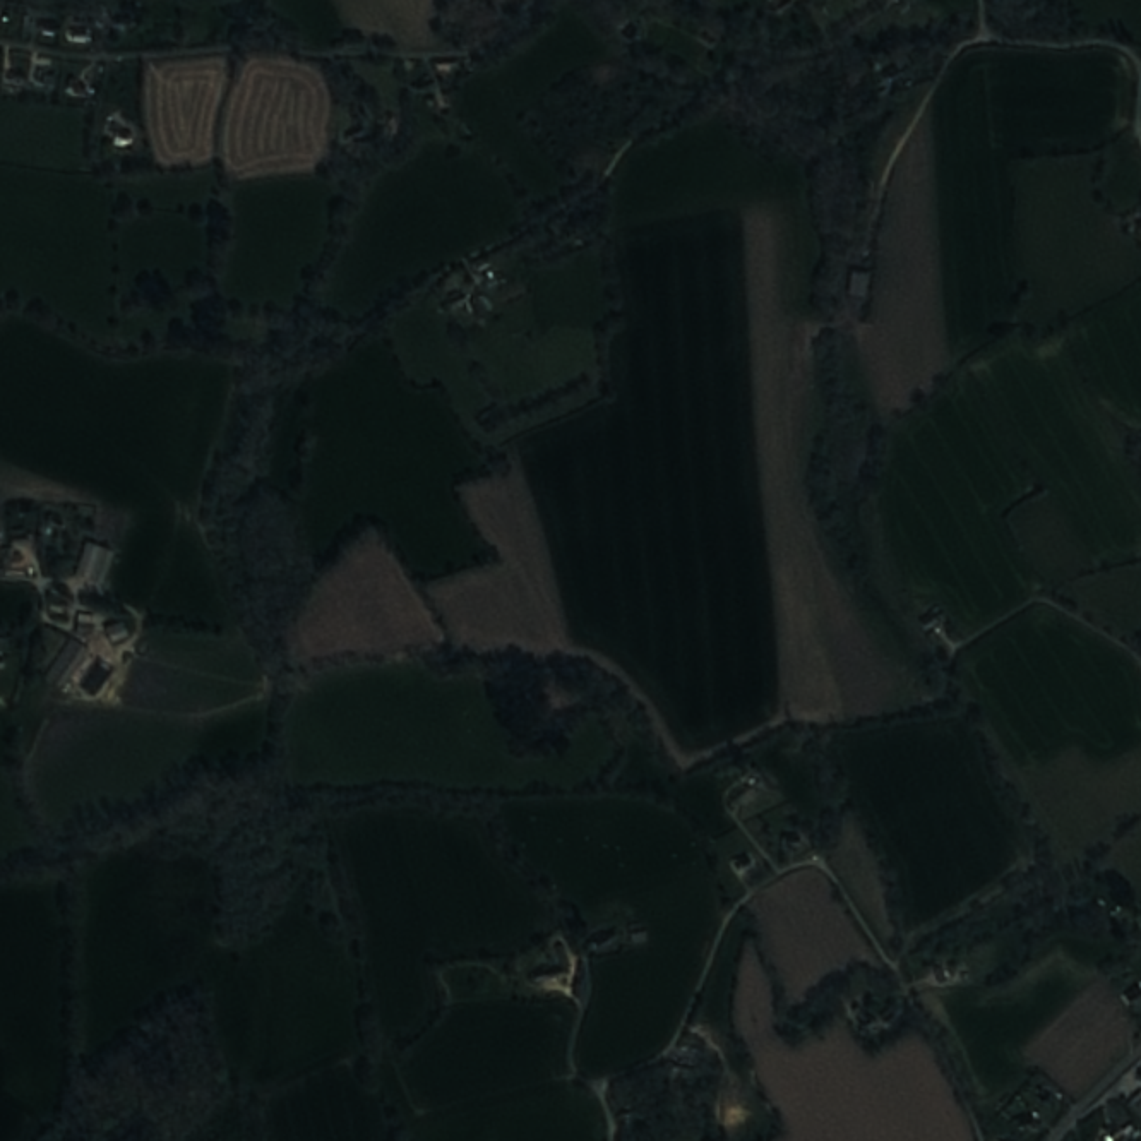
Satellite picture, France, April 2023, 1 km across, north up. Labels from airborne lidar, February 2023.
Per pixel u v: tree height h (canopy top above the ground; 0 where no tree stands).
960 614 0
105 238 0
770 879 9
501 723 15
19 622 8
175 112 0
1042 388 0
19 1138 0
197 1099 17
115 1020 0
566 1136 0
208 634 7
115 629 0
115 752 0
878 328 0
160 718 0
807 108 16
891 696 0
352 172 16
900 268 0
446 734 0
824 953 0
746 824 0
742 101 17
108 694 0
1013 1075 0
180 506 0
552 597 0
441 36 9
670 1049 0
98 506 0
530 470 0
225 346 17
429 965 12
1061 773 0
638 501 0
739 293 0
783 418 0
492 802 10
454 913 0
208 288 16
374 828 0
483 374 12
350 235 12
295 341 16
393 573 0
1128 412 0
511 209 0
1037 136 0
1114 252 0
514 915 0
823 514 16
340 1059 0
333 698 0
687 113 14
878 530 0
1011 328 8
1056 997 0
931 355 0
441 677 8
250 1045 0
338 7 0
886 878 10
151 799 10
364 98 13
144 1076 17
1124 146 0
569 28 0
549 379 0
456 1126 0
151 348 16
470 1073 0
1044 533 0
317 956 0
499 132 0
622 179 0
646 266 0
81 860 21
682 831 0
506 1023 0
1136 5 0
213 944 0
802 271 0
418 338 0
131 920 0
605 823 0
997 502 0
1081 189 0
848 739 0
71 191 0
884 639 0
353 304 0
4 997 0
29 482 0
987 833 0
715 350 0
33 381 0
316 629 0
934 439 0
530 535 0
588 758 0
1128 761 0
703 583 0
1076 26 7
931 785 0
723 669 0
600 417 0
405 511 0
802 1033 15
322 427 0
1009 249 0
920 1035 17
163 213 0
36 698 0
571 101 0
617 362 0
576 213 13
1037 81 0
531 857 0
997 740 0
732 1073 0
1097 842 0
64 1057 10
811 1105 0
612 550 0
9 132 0
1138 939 8
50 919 0
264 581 21
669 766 15
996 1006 0
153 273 0
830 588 0
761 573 0
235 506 15
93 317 0
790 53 15
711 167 0
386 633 0
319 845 13
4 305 9
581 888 0
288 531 19
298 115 0
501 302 0
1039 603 0
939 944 9
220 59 0
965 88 0
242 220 0
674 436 0
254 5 7
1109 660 0
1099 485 0
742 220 0
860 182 17
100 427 0
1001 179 0
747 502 0
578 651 0
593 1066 0
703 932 0
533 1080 0
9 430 0
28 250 0
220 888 9
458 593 0
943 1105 0
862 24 9
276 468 0
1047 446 0
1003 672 0
